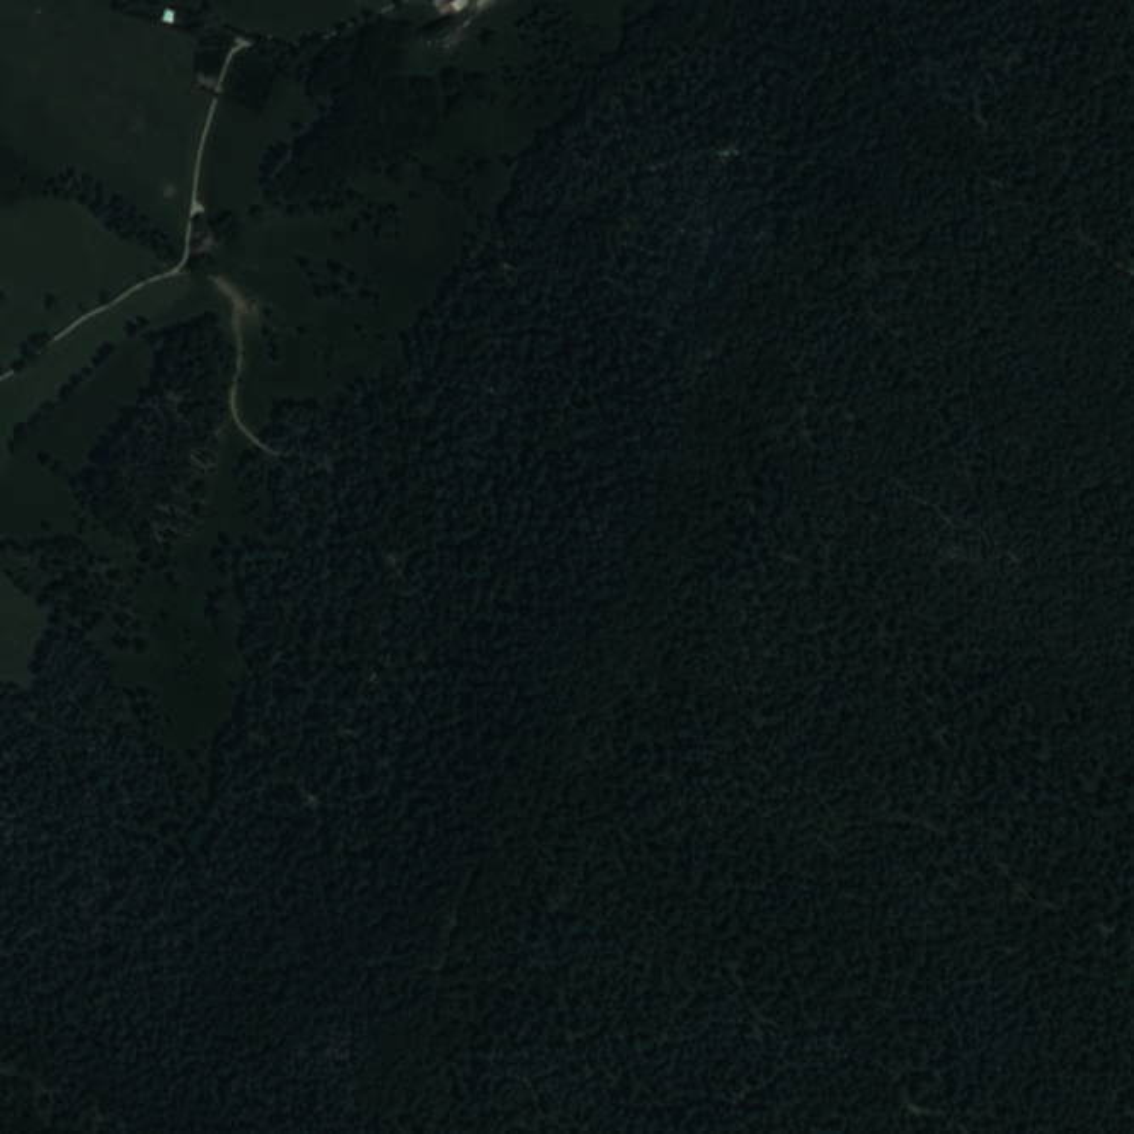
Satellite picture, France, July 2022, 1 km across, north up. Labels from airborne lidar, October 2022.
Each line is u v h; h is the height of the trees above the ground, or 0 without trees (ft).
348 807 85
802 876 44
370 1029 65
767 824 52
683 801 59
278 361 59
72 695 82
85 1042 103
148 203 0
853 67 69
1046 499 76
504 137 0
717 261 50
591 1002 30
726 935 84
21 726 82
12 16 0
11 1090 56
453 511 91
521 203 77
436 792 75
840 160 78
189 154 0
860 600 52
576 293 21
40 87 0
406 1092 58
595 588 40
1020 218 48
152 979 115
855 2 76
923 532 69
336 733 90
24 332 0
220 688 0
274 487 45
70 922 98
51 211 0
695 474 32
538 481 88
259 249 0
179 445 91
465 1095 52
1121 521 77
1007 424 56
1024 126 59
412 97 47
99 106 0
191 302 0
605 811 54
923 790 59
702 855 42
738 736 48
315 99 43
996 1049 53
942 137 67
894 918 49
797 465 60
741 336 52
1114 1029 63
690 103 83
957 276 58
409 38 43
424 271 0
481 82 55
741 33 79
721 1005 70
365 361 0
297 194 56
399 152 76
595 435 66
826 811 66
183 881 70
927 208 50
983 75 44
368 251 0
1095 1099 77
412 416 74
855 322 45
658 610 52
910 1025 78
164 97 0
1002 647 68
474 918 59
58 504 0
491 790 66
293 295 0
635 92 84
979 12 36
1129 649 60
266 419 0
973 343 67
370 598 79
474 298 59
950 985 59
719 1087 87
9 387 0
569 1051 108
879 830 55
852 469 66
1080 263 78
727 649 52
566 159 86
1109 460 68
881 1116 26
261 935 96
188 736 0
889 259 67
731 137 94
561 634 54
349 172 62
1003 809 38
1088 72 43
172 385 69
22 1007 84
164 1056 74
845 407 71
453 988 68
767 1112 70
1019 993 53
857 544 54
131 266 0
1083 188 81
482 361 72
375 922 79
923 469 62
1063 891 65
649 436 44
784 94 69
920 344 67
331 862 91
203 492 89
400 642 92
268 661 70
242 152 0
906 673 47
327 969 82
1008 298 62
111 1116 75
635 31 69
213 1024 85
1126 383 59
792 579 54
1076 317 60
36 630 0
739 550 66
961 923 24
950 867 24
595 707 40
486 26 0
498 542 79
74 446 0
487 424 102
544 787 57
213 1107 84
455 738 60
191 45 0
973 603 48
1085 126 72
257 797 65
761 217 70
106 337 0
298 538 54
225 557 61
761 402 63
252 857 91
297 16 0
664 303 75
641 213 75
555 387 107
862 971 65
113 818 65
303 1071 112
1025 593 51
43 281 0
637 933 46
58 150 0
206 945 88
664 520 65
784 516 62
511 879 52
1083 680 59
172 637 0
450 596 85
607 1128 52
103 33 0
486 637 85
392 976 81
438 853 61
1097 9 63
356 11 0
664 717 31
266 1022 80
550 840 53
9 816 81
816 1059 55
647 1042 89
